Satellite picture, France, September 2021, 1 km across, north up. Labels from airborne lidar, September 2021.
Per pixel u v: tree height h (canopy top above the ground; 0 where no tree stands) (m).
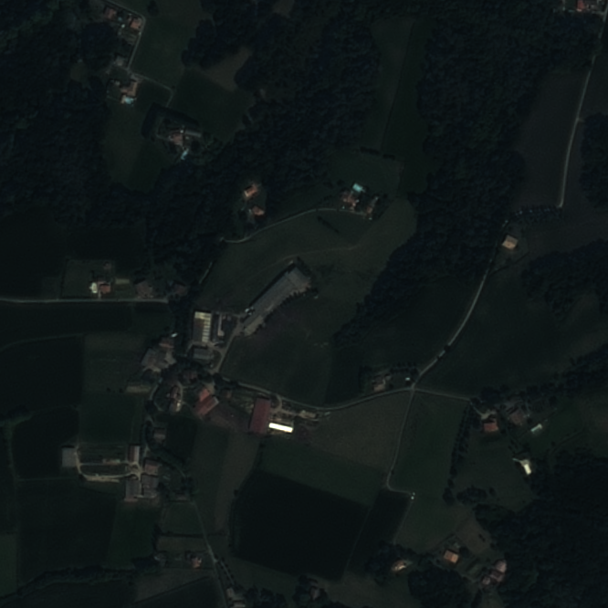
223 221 24
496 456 0
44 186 20
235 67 0
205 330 0
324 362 0
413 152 0
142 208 18
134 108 0
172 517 0
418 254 32
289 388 0
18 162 28
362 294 0
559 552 24
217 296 0
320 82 36
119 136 0
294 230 0
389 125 0
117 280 0
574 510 14
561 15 0
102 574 19
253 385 0
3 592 0
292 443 0
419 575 16
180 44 0
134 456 0
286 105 16
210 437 0
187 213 34
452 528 0
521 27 24
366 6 16
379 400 0
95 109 31
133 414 0
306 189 8
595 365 24
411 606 0
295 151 20
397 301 25
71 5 12
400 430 0
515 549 19
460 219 12
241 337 0
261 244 0
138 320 0
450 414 0
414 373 8
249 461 0
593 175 21
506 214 12
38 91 25
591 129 22
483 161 12
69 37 31
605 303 17
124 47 9
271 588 0
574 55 35
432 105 25
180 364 11
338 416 0
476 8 22
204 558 0
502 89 25
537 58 19
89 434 0
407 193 0
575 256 19
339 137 22
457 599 12
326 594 11
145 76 0
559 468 10
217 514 0
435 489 0
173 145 7
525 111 20
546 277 22
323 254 0
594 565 18
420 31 0
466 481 0
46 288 0
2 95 25
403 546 0
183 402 0
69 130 21
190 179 25
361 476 0
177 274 14
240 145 20
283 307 7
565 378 7
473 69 20
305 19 12
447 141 16
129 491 0
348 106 25
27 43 25
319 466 0
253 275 0
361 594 0
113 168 0
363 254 0
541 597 29
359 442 0
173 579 0
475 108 24
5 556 0
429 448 0
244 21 15
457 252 14
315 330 0
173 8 0
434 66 24
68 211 17
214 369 0
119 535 0
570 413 0
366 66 33
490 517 12
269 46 17
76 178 24
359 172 0
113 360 0
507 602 8
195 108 0
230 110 0
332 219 0
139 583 0
